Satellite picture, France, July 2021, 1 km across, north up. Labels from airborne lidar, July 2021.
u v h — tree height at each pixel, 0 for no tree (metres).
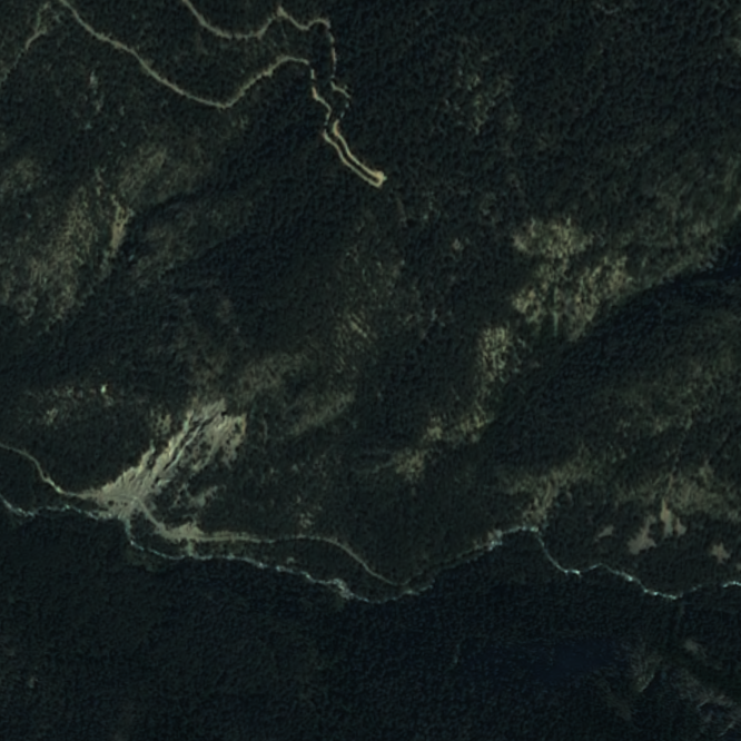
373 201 7
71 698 7
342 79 6
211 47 6
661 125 8
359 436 11
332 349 8
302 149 11
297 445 10
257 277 12
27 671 10
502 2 14
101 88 7
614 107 12
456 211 13
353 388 6
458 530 16
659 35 15
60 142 9
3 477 12
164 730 17
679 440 12
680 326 10
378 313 6
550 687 9
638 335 12
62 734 10
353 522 10
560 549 14
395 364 8
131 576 13
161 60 7
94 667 14
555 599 16
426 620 12
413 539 13
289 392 7
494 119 6
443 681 13
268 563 8
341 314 5
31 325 11
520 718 15
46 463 10
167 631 13
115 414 7
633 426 6
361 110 10
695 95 17
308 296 10
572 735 9
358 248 9
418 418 7
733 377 9
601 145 14
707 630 13
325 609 12
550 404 10
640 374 9
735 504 7
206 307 9
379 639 22
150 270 5
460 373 9
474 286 12
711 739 8
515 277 11
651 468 12
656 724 8
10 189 6
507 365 8
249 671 9
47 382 6
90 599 14
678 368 7
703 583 12
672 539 10
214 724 11
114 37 10
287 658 11
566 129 11
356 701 19
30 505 12
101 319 8
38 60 6
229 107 9
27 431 7
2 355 16
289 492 7
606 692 11
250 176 12
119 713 12
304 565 10
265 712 14
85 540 14
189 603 11
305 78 5
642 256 12
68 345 11
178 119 7
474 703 18
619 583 11
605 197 7
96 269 10
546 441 8
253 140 18
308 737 6
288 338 7
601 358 11
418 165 15
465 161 9
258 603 15
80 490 10
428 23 17
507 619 17
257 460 7
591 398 7
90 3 11
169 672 18
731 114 12
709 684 6
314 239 10
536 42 7
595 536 9
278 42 12
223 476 7
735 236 7
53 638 15
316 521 7
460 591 16
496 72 9
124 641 15
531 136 7
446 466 19
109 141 8
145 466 0
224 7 12
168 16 11
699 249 10
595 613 13
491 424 10
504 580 13
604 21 14
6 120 8
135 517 5
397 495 15
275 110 7
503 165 13
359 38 16
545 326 6
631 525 15
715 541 17
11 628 11
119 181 6
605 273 6
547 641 13
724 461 12
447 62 9
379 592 16
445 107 14
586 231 12
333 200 11
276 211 11
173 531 0
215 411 0
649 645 11
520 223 9
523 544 14
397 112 11
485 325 7
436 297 15
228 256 9
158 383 11
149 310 6
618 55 14
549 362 11
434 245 15
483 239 14
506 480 5
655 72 14
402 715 10
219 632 10
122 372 7
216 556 5
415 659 18
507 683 9
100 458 10
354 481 8
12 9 7
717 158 10
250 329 12
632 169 11
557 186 10
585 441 8
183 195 8
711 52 17
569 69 8
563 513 10
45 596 15
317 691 15
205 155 6
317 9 7
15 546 15
